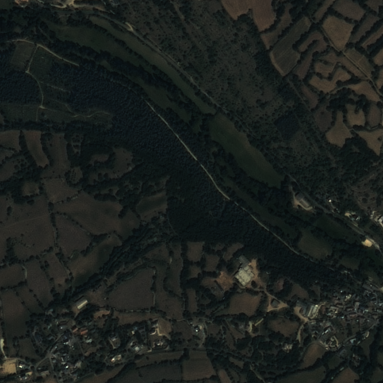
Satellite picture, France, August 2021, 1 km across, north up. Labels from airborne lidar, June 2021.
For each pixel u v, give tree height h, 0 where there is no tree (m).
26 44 0
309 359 0
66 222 0
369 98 0
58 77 15
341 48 0
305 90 0
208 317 8
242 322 11
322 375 0
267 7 0
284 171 13
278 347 9
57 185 0
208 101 14
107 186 16
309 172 7
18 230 0
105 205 0
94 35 0
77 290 11
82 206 0
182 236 10
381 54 0
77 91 16
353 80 10
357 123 0
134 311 7
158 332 0
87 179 16
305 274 13
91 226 0
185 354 9
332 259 7
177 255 0
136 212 7
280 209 22
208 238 12
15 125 10
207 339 8
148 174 7
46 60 0
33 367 7
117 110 21
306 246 0
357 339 8
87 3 10
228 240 13
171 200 12
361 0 10
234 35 7
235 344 7
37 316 9
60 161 0
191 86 13
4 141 0
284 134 15
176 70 6
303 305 0
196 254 0
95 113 0
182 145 14
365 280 8
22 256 0
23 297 0
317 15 0
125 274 7
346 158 9
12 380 10
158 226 7
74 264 0
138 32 12
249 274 0
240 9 0
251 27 6
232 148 0
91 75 17
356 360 6
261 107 12
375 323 0
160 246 7
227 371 10
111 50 0
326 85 0
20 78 15
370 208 8
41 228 0
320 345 0
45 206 0
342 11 0
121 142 15
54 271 0
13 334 0
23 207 0
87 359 13
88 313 10
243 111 11
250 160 0
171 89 35
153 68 9
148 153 14
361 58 0
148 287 0
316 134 8
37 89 11
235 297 0
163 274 0
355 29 9
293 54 0
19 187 9
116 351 11
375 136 0
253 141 16
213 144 20
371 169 6
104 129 15
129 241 11
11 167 0
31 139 0
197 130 0
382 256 13
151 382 0
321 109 0
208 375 0
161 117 7
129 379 0
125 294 0
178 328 0
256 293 9
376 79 8
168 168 14
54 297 10
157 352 0
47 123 12
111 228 0
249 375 12
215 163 6
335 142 0
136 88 11
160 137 17
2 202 0
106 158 0
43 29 20
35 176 16
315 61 11
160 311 7
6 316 0
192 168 9
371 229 8
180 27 10
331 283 8
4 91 11
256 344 9
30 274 0
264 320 11
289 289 14
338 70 0
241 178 27
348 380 0
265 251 14
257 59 15
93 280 12
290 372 8
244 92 0
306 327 8
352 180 6
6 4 0
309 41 0
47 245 0
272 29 12
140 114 9
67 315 12
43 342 7
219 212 13
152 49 6
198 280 15
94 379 0
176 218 12
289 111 7
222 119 0
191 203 14
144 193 13
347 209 9
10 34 8
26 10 14
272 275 9
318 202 18
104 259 0
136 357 11
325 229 0
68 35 0
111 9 10
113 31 0
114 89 12
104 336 9
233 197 11
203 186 13
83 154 14
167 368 0
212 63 10
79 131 12
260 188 19
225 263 12
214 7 0
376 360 15
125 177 9
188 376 0
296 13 10
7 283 0
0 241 0
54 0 0
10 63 13
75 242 0
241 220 9
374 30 13
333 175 13
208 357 8
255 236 14
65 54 11
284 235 16
